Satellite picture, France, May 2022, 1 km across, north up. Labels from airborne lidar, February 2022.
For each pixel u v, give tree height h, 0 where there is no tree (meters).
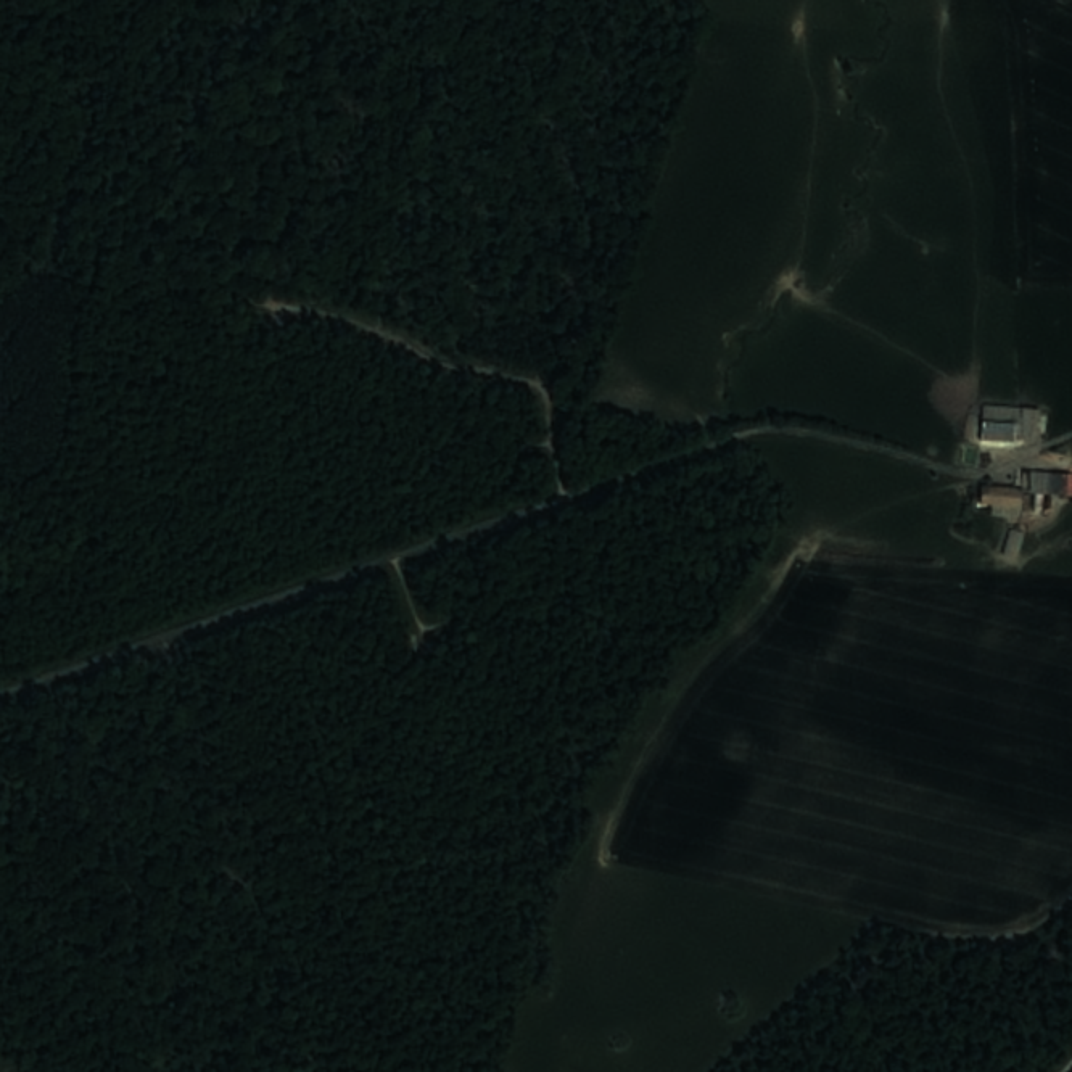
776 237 0
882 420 0
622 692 22
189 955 24
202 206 27
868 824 0
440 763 23
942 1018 24
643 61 20
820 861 0
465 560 22
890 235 0
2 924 17
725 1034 0
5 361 16
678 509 18
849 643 0
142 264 28
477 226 23
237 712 23
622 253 27
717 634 10
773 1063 17
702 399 0
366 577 21
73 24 21
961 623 0
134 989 23
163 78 26
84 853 25
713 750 0
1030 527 0
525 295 24
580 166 20
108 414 19
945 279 0
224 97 26
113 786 25
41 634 21
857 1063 23
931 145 0
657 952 0
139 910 25
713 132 0
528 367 16
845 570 0
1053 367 0
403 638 19
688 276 0
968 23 0
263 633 24
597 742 30
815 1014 22
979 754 0
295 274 25
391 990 24
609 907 0
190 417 23
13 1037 22
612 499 25
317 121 26
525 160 21
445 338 26
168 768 23
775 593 0
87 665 0
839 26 0
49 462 12
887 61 0
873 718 0
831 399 0
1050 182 0
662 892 0
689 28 20
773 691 0
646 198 22
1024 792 0
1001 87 0
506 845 31
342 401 21
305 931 25
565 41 20
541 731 23
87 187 21
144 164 26
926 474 0
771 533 25
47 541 25
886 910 0
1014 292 0
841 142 0
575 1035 0
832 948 0
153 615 23
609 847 0
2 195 27
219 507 24
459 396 21
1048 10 0
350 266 23
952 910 0
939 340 0
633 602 25
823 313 0
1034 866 0
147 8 29
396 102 21
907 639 0
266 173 33
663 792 0
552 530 25
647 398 0
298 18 27
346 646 21
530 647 26
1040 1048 23
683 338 0
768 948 0
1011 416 0
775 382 0
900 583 0
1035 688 0
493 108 24
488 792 26
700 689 0
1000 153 0
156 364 24
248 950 21
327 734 22
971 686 0
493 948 24
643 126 20
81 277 25
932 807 0
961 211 0
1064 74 0
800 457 0
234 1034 27
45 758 27
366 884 28
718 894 0
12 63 24
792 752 0
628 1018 0
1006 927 0
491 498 26
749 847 0
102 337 22
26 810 24
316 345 25
